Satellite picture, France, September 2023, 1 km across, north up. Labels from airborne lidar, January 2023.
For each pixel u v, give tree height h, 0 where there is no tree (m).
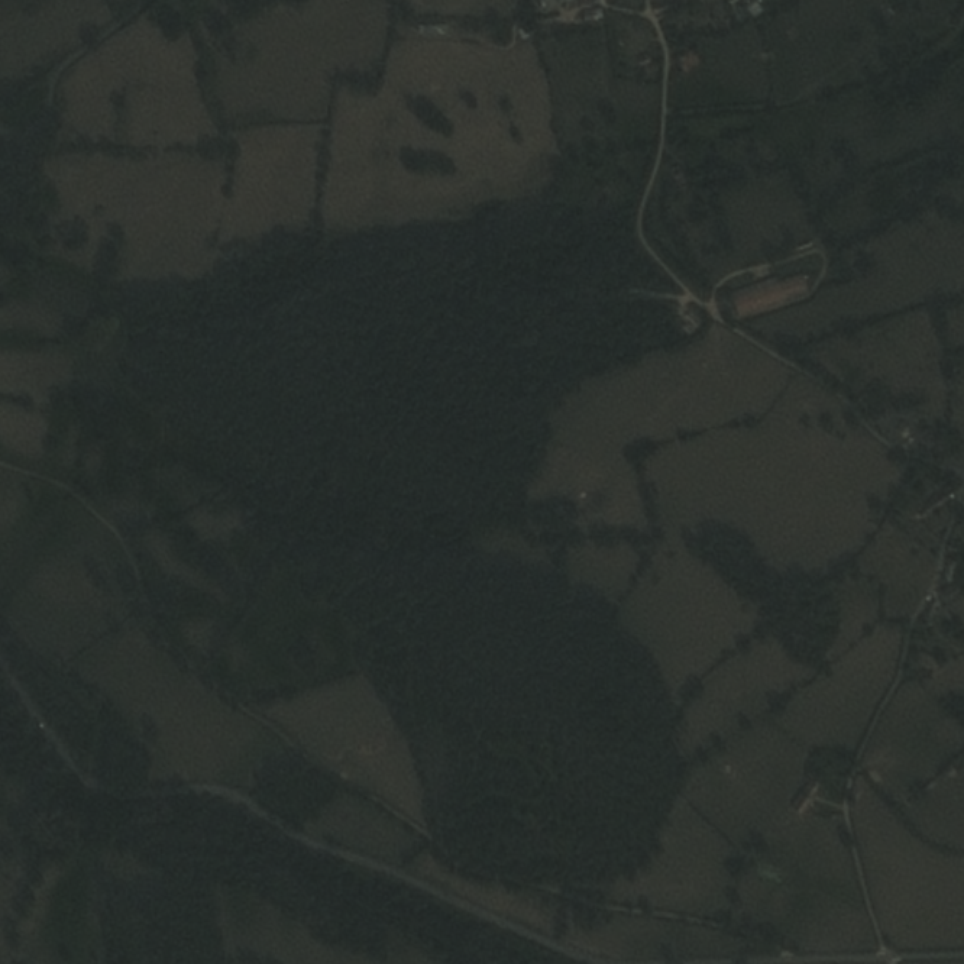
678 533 0
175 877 22
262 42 0
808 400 0
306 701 0
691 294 0
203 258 0
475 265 19
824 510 0
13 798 0
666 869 0
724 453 0
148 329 6
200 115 0
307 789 11
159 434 0
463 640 20
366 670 14
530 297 21
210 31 11
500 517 21
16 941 15
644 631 0
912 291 0
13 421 0
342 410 17
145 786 20
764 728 0
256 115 0
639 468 9
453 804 14
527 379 24
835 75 0
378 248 19
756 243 0
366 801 10
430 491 17
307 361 20
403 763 0
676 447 0
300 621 0
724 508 0
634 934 0
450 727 22
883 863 0
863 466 0
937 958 0
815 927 0
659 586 0
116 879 0
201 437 20
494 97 0
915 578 0
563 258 20
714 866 0
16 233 7
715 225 0
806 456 0
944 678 0
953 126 0
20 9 0
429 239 20
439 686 20
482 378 16
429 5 0
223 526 0
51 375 0
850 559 10
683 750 0
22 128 0
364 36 0
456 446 19
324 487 25
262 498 28
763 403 0
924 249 0
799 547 0
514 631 19
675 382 0
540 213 9
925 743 0
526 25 11
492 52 0
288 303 22
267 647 0
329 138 12
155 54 0
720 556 12
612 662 20
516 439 18
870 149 0
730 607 0
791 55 0
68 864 0
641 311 9
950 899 0
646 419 0
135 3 12
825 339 8
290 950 0
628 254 13
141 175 0
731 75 0
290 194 0
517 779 11
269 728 0
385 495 21
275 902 18
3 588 0
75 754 16
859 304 0
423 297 25
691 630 0
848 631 0
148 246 0
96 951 0
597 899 11
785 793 0
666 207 11
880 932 0
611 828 12
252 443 22
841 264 6
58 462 0
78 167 0
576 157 19
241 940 0
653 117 0
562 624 24
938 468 10
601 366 17
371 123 0
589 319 18
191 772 0
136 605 19
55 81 0
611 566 0
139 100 0
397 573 20
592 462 0
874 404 0
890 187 0
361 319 24
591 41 0
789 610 14
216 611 0
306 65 0
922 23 0
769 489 0
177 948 19
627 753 14
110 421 21
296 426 22
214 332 7
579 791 11
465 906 0
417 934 7
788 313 0
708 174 10
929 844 0
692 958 0
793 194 0
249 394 24
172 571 0
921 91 16
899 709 0
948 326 10
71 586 0
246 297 19
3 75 0
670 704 17
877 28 15
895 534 0
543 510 12
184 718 0
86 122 0
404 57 0
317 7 0
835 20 0
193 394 19
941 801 0
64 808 21
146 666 0
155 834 20
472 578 24
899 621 7
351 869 0
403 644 18
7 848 19
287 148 0
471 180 0
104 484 0
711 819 0
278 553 24
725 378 0
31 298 0
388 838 0
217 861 15
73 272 0
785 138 0
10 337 0
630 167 0
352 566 21
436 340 20
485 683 11
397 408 17
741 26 15
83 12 0
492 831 12
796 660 0
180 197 0
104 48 0
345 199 0
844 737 0
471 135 0
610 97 0
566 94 0
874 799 0
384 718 0
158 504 0
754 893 0
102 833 11
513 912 0
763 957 0
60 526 0
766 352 0
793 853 0
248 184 0
